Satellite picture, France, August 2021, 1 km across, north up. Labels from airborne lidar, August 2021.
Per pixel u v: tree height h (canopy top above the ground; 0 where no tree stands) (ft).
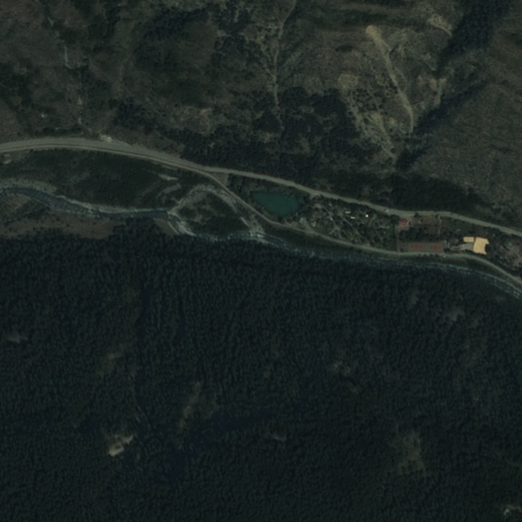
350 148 45
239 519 84
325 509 84
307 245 32
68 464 94
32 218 25
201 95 17
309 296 66
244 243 25
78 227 0
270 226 21
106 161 25
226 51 22
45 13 25
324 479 56
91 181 24
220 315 81
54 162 29
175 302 69
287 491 105
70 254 58
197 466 38
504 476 49
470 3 20
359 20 24
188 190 21
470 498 49
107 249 41
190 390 27
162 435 31
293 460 81
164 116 34
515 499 48
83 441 47
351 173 20
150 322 41
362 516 60
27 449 65
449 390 50
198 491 83
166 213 0
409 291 61
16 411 59
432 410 32
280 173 47
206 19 28
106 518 71
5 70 53
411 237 60
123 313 48
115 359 30
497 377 20
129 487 66
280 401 27
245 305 59
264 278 60
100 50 28
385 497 32
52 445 79
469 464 55
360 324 28
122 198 32
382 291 60
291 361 72
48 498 98
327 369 25
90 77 25
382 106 35
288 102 38
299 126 36
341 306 44
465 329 54
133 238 31
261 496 87
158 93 22
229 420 35
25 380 56
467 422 36
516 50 0
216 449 55
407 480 56
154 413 28
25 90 41
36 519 44
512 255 0
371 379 34
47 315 26
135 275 68
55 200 0
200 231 28
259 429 56
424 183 30
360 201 42
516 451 33
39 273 96
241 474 75
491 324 37
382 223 23
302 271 39
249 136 39
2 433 38
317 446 89
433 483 75
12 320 51
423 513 69
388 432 34
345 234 31
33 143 0
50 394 31
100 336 84
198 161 46
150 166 28
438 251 0
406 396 71
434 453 58
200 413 24
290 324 54
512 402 48
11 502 87
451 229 0
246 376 96
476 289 22
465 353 34
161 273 50
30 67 32
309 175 43
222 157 43
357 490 61
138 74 0
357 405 55
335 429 74
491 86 0
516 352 24
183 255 35
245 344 52
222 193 0
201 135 52
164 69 21
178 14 23
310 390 28
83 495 101
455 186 27
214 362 46
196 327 90
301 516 100
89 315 56
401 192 45
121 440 36
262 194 0
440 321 41
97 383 55
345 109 43
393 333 57
